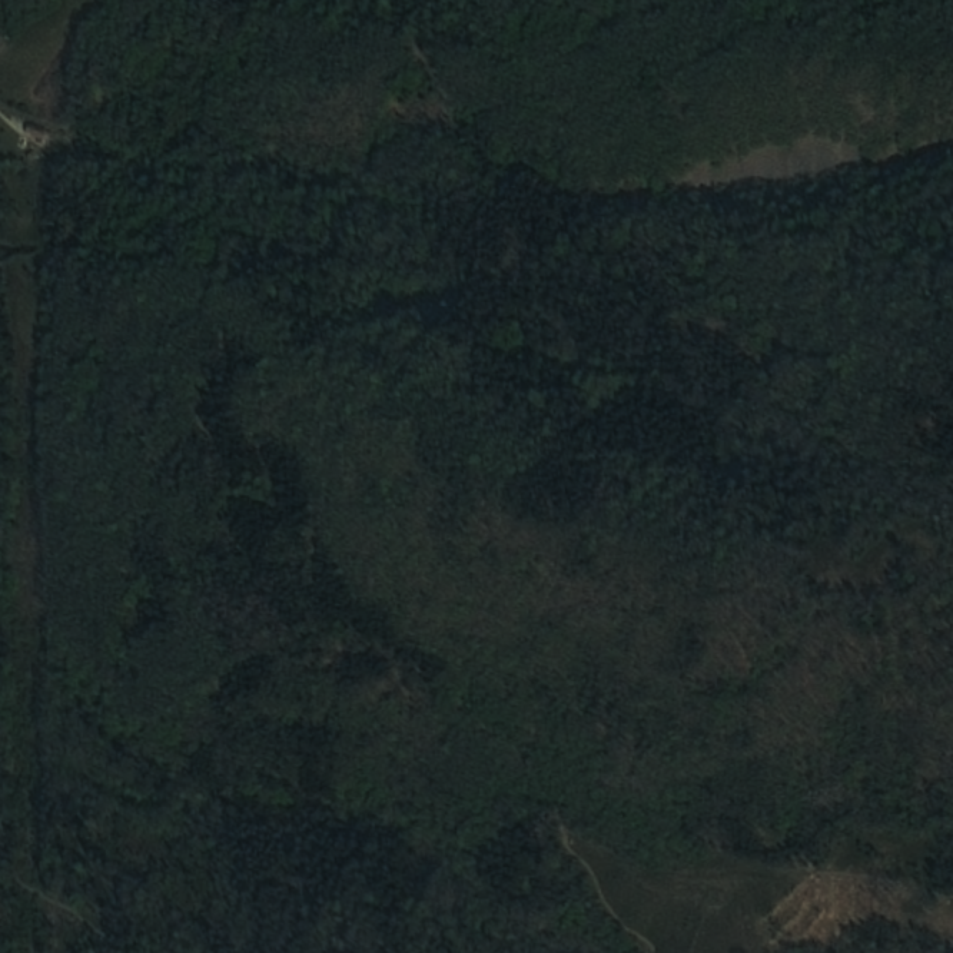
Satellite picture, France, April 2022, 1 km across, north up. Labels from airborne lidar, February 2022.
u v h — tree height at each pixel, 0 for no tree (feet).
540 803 92
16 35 40
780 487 94
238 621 91
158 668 82
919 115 67
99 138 73
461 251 101
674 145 65
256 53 46
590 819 77
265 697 78
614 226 106
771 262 78
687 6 72
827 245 95
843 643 95
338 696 79
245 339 51
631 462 86
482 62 69
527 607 51
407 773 89
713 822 79
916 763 86
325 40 55
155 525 71
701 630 53
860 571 0
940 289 72
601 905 79
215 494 48
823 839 91
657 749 72
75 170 54
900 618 93
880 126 66
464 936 91
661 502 62
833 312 68
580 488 69
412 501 47
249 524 51
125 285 73
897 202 92
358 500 55
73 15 0
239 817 96
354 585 56
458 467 58
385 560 47
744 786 73
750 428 98
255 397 45
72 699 111
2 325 52
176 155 80
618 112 68
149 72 60
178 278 75
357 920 95
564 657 69
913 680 112
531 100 75
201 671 83
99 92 76
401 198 70
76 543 66
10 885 96
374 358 84
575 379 56
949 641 94
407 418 46
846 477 95
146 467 62
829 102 47
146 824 97
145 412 110
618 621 59
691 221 95
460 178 81
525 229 87
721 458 28
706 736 59
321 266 81
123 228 65
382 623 73
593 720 80
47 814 101
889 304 60
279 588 79
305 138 51
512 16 65
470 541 47
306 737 94
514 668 65
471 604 51
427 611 50
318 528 61
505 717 73
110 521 84
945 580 84
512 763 89
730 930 0
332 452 38
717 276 88
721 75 45
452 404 60
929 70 58
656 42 65
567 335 81
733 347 67
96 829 133
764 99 41
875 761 89
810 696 81
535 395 88
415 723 80
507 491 36
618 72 65
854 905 0
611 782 85
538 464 64
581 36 67
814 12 84
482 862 76
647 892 0
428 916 84
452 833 54
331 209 68
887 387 66
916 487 91
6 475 76
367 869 79
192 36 63
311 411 58
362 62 69
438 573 52
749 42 75
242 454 44
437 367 92
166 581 78
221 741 87
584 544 43
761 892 0
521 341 66
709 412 37
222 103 90
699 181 0
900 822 90
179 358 64
